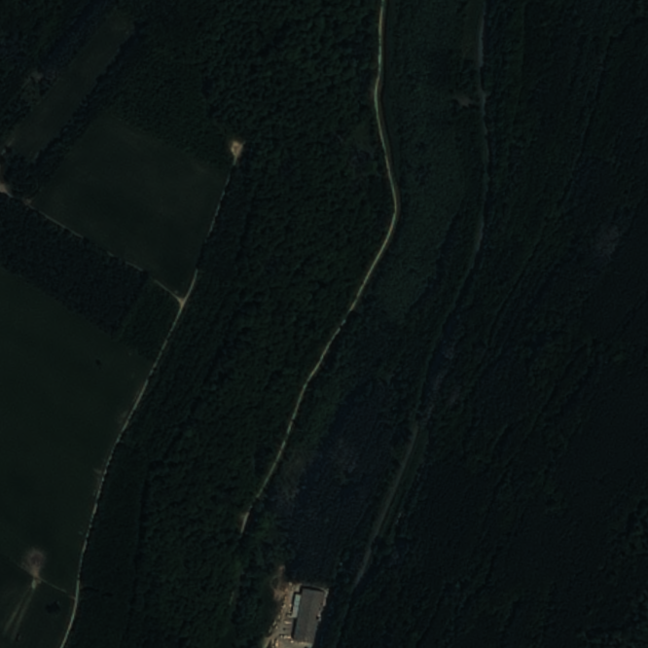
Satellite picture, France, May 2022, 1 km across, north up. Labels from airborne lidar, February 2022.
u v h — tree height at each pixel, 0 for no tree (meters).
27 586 0
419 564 24
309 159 29
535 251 6
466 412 14
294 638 0
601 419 17
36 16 26
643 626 26
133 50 17
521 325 10
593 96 12
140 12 14
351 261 23
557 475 19
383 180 13
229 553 25
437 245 19
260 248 26
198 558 30
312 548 31
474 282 15
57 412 0
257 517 27
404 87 10
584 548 17
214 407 25
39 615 0
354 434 33
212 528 29
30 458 0
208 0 20
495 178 20
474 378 11
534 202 12
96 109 11
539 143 16
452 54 19
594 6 15
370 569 0
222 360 26
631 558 16
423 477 18
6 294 0
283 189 26
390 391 32
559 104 23
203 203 0
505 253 20
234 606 0
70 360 0
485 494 17
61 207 0
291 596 0
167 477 29
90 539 9
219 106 26
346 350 22
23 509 0
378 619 20
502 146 24
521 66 9
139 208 0
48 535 0
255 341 31
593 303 18
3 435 0
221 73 22
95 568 13
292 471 0
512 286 12
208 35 21
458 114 14
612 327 17
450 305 10
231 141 0
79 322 0
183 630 25
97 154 0
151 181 0
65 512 0
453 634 13
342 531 31
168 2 16
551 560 15
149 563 26
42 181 16
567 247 11
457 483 16
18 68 17
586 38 15
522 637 20
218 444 28
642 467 16
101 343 0
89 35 22
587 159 9
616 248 8
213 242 14
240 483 27
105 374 0
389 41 0
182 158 0
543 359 29
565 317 10
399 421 8
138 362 0
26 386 0
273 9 27
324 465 27
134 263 0
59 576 0
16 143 0
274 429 22
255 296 26
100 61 0
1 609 0
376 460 31
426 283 11
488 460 13
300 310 27
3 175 0
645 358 18
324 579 20
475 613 16
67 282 22
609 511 18
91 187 0
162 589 27
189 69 5
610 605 16
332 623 23
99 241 0
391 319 21
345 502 34
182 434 20
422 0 19
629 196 14
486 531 14
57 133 0
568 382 15
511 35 20
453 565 16
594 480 17
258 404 30
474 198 9
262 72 28
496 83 18
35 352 0
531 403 20
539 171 9
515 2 25
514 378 20
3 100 13
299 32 30
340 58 33
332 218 27
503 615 10
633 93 15
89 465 0
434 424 17
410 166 25
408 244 20
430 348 9
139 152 0
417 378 9
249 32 28
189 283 0
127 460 8
